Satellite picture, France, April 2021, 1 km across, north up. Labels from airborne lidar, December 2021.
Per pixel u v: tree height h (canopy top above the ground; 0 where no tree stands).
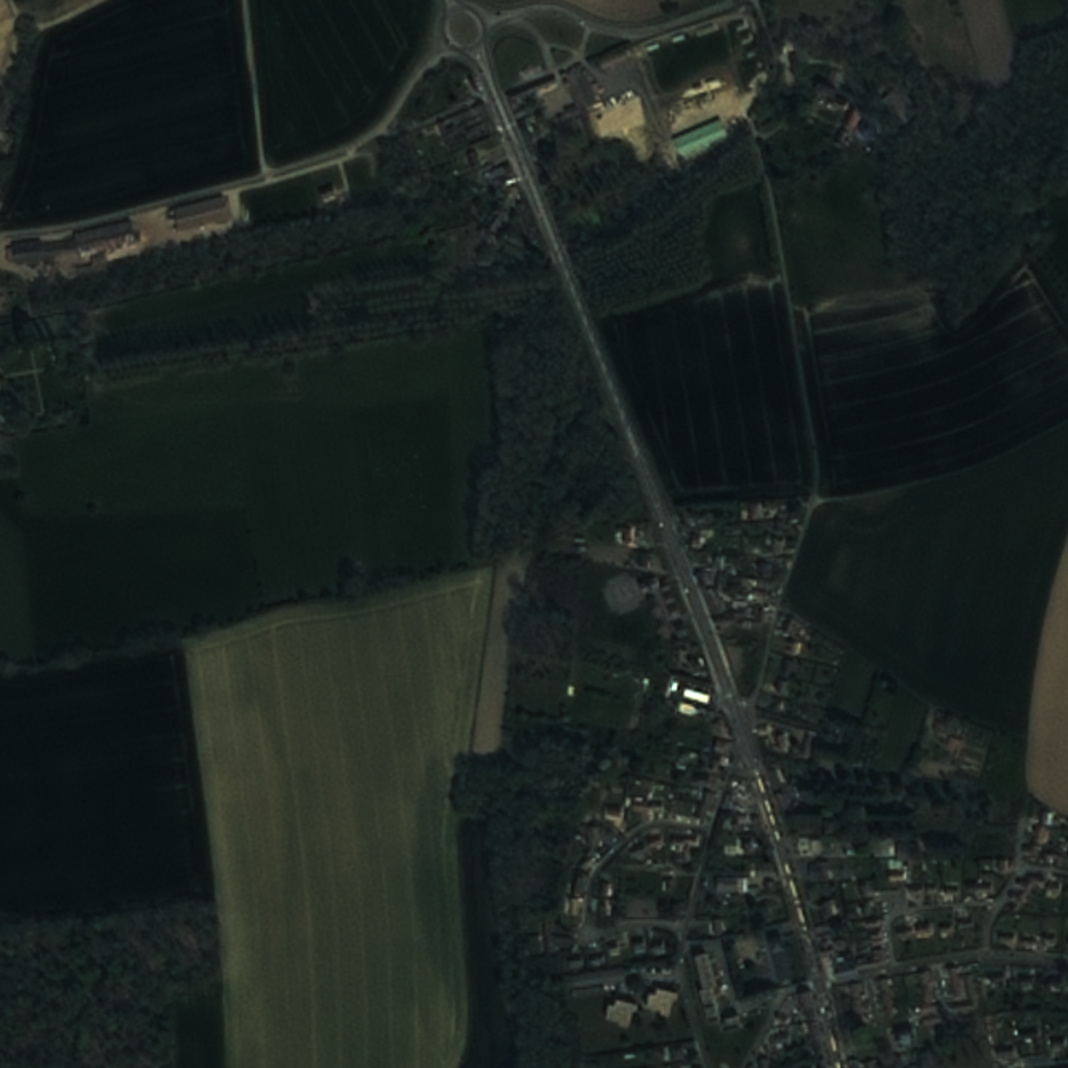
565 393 38
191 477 0
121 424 0
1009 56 0
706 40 0
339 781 0
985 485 0
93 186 0
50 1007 15
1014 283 0
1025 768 0
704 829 0
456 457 0
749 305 0
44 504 0
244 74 0
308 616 0
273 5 0
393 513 0
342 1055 0
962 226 16
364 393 0
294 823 0
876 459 0
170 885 0
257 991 0
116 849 0
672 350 0
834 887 7
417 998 0
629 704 0
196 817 0
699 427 0
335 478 0
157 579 0
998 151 21
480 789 22
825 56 21
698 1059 11
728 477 0
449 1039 0
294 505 0
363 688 0
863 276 0
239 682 0
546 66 0
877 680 7
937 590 0
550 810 24
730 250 0
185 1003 0
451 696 0
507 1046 0
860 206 0
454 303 30
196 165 0
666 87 0
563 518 28
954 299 22
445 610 0
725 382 0
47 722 0
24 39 20
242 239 22
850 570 0
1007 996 6
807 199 0
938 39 0
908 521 0
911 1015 0
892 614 0
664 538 0
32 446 0
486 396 0
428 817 0
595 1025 0
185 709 0
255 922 0
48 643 0
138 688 0
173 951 24
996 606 0
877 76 23
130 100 0
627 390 0
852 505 0
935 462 0
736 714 0
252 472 0
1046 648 0
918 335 0
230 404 0
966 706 0
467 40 0
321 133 0
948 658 0
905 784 11
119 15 0
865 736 9
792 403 0
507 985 21
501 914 15
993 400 0
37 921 15
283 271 15
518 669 7
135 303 0
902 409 0
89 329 15
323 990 0
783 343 0
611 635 0
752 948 0
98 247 0
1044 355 0
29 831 0
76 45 0
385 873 0
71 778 0
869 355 0
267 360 27
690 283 29
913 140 34
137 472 0
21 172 0
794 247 0
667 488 0
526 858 30
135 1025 24
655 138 0
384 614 0
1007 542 0
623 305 34
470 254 0
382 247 20
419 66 0
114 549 0
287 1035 0
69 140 0
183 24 0
